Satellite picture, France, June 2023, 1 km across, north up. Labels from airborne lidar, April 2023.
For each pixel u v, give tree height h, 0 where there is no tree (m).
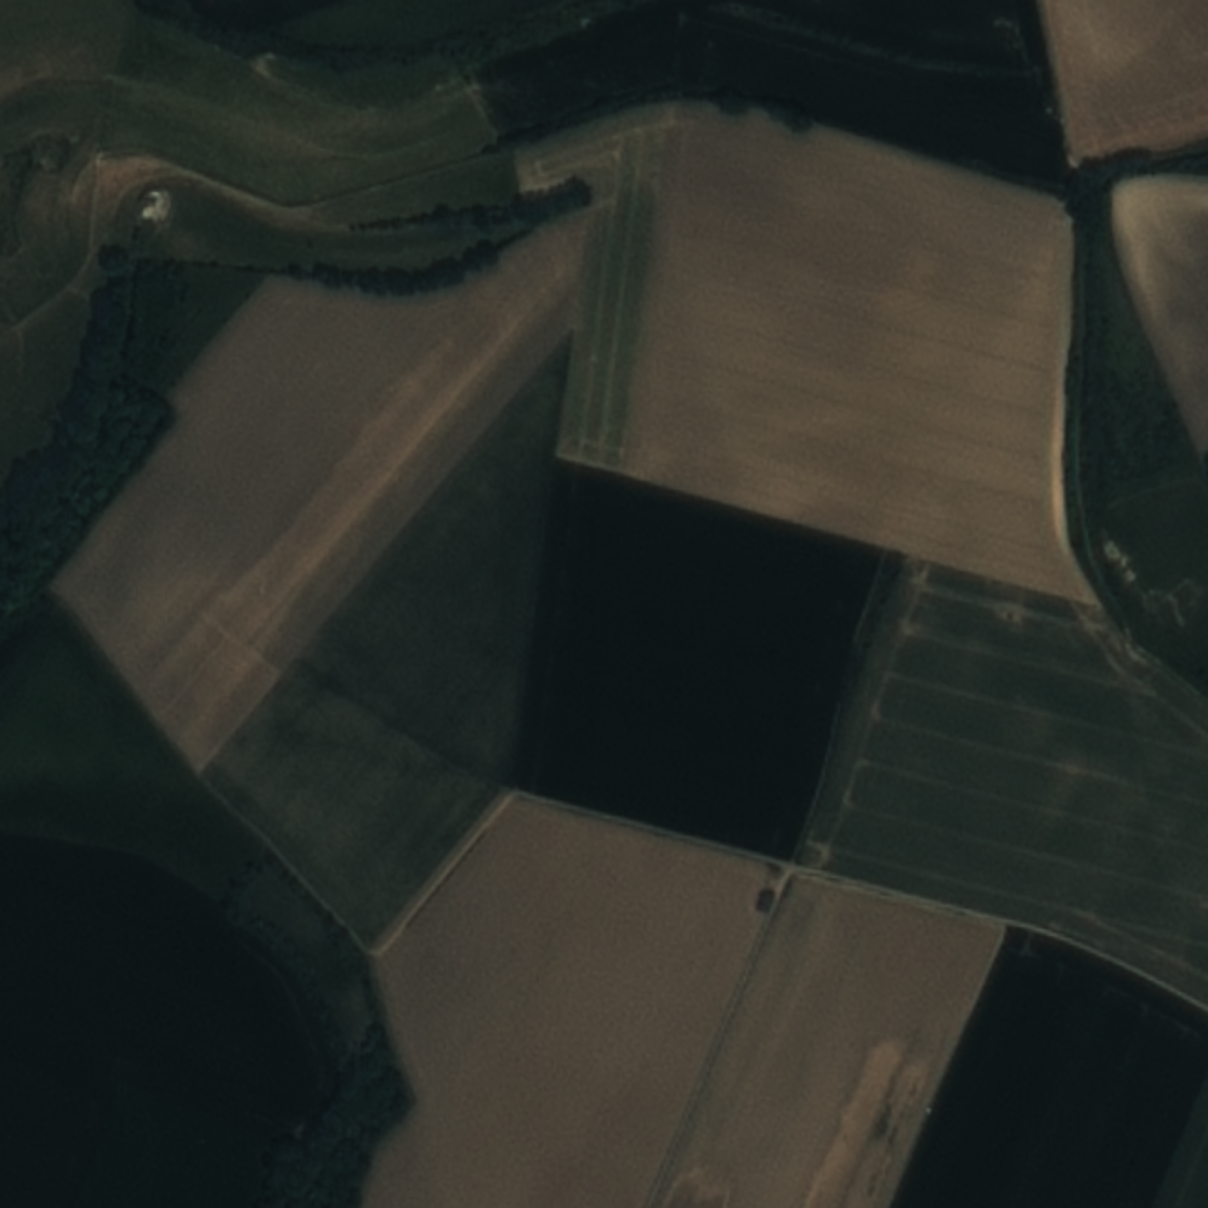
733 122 0
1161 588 0
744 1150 0
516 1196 0
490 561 0
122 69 0
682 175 0
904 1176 0
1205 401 0
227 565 0
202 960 0
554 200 12
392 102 0
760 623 0
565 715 0
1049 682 0
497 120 0
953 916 0
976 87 0
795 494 0
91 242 0
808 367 0
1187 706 0
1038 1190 0
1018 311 0
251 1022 0
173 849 0
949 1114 0
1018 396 0
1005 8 0
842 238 0
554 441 0
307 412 0
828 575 0
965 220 0
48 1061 0
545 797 0
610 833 0
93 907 0
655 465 0
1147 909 0
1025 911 0
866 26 0
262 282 0
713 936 0
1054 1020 0
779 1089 0
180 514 0
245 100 0
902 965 0
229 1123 0
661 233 0
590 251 0
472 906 0
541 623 0
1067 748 0
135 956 0
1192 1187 0
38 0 0
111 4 0
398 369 0
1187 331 0
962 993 0
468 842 0
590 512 0
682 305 0
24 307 0
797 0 0
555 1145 0
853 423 0
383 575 0
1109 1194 0
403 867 0
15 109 0
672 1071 0
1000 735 0
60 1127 0
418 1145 0
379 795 0
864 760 0
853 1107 0
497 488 0
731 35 0
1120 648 0
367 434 0
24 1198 0
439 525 0
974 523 0
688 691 0
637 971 0
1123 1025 0
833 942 0
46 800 0
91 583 0
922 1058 0
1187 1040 0
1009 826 0
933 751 0
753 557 0
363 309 0
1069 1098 0
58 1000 0
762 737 0
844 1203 0
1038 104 0
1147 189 0
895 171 0
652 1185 0
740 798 0
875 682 0
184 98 0
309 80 0
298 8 0
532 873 0
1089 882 0
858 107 0
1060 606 0
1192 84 0
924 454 0
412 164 0
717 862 0
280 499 0
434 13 0
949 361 0
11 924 0
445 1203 0
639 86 0
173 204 0
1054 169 0
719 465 0
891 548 0
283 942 6
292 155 0
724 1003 0
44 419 0
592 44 0
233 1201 0
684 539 0
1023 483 0
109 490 13
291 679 0
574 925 0
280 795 0
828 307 0
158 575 0
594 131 0
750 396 0
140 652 0
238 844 0
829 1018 0
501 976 0
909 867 0
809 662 0
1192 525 0
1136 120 0
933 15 0
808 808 0
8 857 0
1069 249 0
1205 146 0
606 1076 0
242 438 0
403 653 0
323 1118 10
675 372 0
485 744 0
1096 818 0
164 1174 0
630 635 0
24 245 0
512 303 0
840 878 0
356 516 0
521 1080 0
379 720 0
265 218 0
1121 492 0
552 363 0
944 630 0
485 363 0
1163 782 0
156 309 8
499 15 0
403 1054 0
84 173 0
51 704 0
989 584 0
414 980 0
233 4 0
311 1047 0
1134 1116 0
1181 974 0
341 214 0
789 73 0
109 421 21
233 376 0
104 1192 0
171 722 0
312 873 0
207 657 0
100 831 0
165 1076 0
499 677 0
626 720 0
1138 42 0
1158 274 0
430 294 0
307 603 0
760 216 0
